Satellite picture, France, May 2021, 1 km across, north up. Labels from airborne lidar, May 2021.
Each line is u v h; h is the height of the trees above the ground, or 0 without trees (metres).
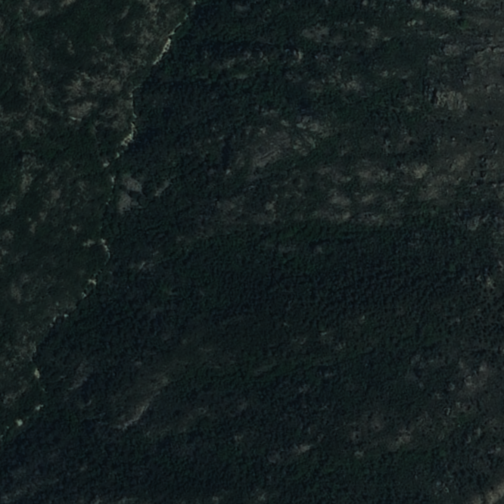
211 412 7
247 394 19
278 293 19
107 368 12
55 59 12
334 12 10
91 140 12
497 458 10
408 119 9
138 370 7
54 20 9
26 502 5
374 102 11
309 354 20
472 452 12
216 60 9
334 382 7
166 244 13
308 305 24
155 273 7
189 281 9
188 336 7
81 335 21
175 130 14
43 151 13
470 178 6
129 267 9
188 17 8
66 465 6
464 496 8
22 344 7
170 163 10
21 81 15
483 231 6
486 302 11
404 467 6
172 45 9
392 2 11
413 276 16
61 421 7
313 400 12
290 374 6
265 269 9
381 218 6
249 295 16
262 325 8
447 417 14
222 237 20
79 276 7
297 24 9
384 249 8
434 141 9
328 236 10
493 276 18
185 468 14
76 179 10
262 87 13
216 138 8
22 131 14
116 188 16
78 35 7
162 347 16
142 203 19
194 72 18
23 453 9
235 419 12
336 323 8
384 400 7
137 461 9
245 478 8
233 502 6
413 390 9
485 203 7
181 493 10
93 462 13
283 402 13
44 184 9
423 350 6
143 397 8
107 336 25
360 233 11
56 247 12
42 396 23
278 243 7
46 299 5
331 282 9
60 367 8
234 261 11
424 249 10
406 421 7
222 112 7
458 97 0
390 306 19
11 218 8
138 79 10
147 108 12
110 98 10
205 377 16
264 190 10
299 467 21
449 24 8
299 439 7
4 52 10
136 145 14
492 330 12
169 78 9
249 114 9
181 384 14
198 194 12
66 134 12
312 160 6
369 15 7
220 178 10
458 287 19
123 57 8
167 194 16
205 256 9
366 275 14
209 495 7
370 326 9
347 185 9
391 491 18
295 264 18
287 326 14
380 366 7
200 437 7
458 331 9
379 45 7
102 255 22
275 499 10
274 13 6
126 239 13
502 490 0
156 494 7
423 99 8
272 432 11
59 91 11
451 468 16
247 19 7
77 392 7
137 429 9
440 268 10
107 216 25
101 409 13
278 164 8
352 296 15
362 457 8
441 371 10
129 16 7
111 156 26
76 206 13
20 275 6
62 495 9
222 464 15
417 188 7
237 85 12
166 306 11
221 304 14
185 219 8
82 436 8
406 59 7
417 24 8
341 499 24
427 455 20
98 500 9
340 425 5
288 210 6
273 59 6
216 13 9
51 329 15
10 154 10
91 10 15
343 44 7
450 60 7
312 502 13
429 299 15
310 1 12
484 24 0
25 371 8
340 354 14
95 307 9
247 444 7
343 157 7
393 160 7
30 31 12
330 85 12
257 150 0
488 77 0
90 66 8
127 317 13
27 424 10
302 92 11
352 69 6
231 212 11
